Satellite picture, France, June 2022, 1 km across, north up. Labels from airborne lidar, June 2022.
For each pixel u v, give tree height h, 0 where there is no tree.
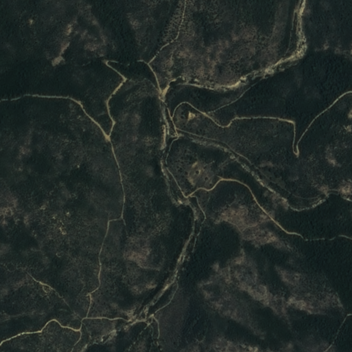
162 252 6
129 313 0
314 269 9
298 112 9
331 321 6
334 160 0
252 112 7
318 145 6
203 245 9
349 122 8
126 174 5
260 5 9
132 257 0
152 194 6
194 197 7
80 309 0
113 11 12
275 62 0
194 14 9
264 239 0
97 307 0
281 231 8
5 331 5
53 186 6
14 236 8
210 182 0
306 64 7
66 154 6
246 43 9
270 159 7
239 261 0
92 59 7
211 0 7
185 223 8
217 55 0
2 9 8
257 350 0
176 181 0
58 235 5
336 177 9
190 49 0
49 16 0
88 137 8
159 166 14
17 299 8
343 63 9
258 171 6
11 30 9
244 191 7
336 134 8
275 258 6
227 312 0
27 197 7
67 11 7
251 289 0
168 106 7
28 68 5
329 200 10
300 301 0
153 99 6
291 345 0
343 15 9
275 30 0
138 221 5
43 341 0
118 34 7
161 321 0
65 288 7
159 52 6
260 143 6
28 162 10
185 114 8
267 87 8
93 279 0
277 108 6
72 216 7
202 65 0
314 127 6
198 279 5
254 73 0
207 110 9
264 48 7
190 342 6
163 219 7
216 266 0
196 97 8
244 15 12
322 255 11
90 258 7
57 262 8
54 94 6
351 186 0
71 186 7
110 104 7
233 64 7
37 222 5
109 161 0
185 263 10
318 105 8
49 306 0
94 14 8
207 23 8
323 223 5
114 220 0
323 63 7
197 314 8
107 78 7
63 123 8
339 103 6
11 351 6
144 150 7
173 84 17
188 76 0
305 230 8
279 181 0
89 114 8
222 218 0
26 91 8
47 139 7
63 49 0
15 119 6
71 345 0
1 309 7
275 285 8
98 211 0
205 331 8
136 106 8
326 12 8
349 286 10
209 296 0
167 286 0
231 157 0
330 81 13
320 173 6
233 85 0
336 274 10
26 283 7
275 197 0
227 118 5
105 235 0
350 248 9
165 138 0
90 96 6
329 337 9
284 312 0
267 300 0
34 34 10
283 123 7
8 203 0
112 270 0
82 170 10
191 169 0
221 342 0
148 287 0
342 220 6
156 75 0
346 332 6
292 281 0
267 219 0
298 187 7
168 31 8
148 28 6
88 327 0
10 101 10
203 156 7
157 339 8
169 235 8
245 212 0
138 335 8
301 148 6
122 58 12
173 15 7
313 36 7
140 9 7
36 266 9
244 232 0
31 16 8
